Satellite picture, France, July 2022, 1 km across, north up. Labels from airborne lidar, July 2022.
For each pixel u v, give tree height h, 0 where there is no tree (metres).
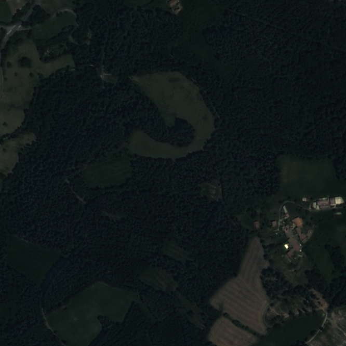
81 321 0
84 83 21
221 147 25
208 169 22
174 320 20
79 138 36
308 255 10
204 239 22
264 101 19
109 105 26
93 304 0
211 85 22
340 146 29
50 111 25
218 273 22
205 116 0
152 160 20
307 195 0
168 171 16
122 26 24
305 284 8
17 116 0
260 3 21
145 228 21
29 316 15
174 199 16
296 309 0
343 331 0
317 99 10
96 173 0
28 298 27
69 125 28
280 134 22
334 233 0
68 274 39
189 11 7
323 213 0
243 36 24
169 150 0
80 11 19
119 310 0
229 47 32
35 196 33
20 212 27
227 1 23
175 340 15
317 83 23
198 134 0
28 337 37
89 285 15
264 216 18
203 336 15
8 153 0
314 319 0
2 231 22
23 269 0
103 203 23
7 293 26
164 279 0
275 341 0
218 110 23
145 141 0
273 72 8
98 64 31
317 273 10
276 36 23
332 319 0
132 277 21
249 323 0
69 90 19
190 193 21
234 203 18
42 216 36
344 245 0
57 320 0
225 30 35
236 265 15
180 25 33
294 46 19
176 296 24
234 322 13
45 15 16
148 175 23
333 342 0
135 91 6
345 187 0
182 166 20
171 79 0
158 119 34
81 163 23
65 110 24
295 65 21
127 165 0
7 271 23
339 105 35
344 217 0
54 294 32
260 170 40
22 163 17
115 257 21
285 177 0
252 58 19
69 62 0
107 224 21
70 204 36
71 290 18
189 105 0
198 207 26
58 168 30
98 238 25
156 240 20
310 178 0
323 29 20
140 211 20
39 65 0
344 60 25
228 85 10
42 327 33
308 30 9
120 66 30
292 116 16
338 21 23
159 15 31
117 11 12
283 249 0
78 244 17
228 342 0
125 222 22
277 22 20
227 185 22
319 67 26
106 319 12
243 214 19
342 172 29
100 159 24
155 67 20
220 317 11
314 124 18
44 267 0
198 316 0
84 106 26
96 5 6
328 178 0
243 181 22
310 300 31
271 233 0
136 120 34
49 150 21
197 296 33
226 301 0
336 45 23
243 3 17
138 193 10
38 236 36
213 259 21
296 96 10
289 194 0
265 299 0
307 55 26
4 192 13
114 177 0
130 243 19
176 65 21
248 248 12
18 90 0
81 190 23
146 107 31
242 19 24
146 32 28
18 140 0
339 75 21
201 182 23
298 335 0
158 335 19
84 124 25
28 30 6
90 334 0
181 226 19
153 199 19
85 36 14
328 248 17
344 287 26
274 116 19
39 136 17
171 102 0
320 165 0
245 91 16
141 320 22
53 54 11
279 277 25
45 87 20
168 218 26
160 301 31
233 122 17
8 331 22
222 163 23
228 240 18
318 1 21
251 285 0
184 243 22
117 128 45
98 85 35
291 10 19
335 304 20
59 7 0
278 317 17
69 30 11
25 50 0
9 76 0
